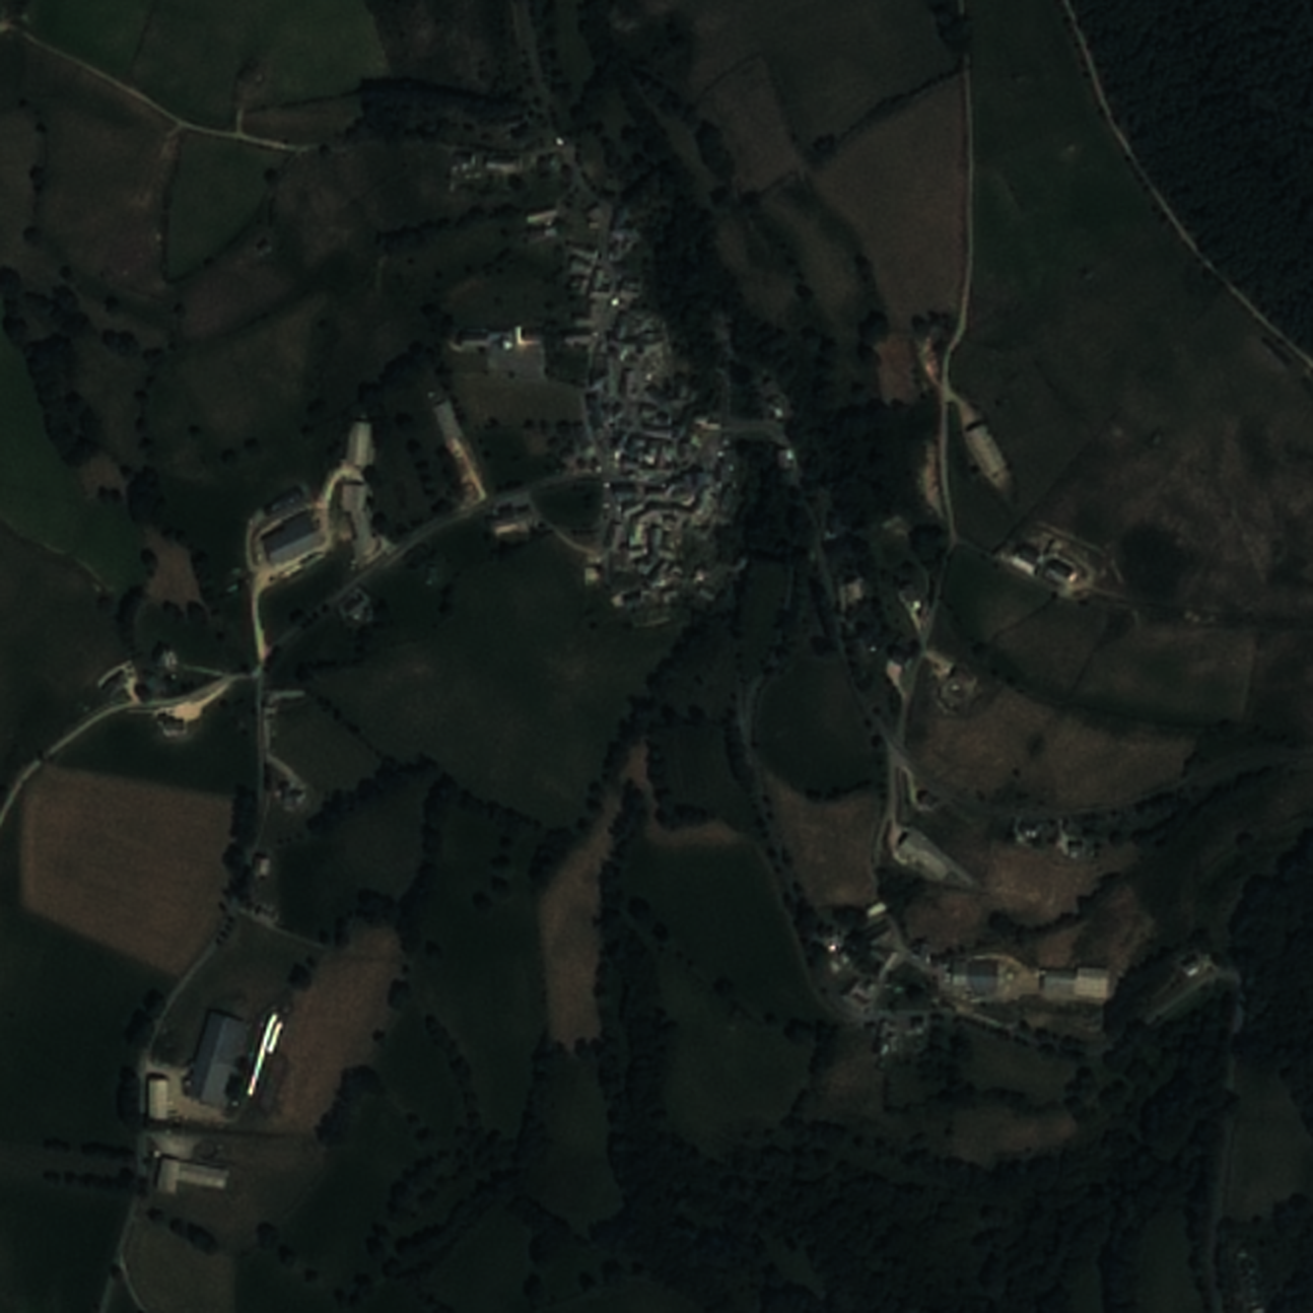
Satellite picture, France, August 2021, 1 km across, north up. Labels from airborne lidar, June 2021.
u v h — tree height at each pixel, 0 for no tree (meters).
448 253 0
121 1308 0
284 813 0
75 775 0
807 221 0
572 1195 0
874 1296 25
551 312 10
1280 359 0
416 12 0
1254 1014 9
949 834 0
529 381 0
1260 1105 0
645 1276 8
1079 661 0
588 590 0
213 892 0
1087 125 0
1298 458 0
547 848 7
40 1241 0
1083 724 0
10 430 0
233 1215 0
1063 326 0
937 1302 9
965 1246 0
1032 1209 8
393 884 0
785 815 0
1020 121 0
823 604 21
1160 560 0
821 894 0
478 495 0
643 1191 25
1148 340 0
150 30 0
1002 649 0
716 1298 12
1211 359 0
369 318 0
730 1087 0
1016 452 0
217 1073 0
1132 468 0
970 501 0
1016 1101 10
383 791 17
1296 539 0
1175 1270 0
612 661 0
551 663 0
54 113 0
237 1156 0
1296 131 19
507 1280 0
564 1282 0
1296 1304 16
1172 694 0
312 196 0
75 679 0
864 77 0
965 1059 18
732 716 10
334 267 0
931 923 0
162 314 0
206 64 0
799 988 0
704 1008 0
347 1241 0
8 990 0
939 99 0
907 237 0
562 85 10
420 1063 0
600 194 8
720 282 17
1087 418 0
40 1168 0
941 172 0
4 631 0
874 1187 18
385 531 11
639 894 0
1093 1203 25
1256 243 16
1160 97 17
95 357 0
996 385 0
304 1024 0
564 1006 0
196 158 0
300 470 0
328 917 0
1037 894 0
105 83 0
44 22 0
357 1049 0
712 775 0
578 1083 0
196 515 0
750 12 0
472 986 0
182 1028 0
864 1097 0
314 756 0
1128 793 0
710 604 9
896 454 0
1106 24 17
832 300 0
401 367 14
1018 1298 29
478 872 0
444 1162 8
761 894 0
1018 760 0
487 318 0
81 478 0
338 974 0
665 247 12
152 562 17
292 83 0
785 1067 0
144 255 0
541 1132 19
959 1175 20
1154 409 0
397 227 0
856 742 0
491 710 0
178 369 0
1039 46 0
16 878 0
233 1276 0
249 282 0
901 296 0
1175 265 0
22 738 0
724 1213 15
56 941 0
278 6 0
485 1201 13
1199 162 19
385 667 0
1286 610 0
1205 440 0
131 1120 18
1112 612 0
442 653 0
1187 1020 8
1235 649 0
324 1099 0
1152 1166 25
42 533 0
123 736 0
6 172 0
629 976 18
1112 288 0
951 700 0
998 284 0
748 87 0
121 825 0
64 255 0
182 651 0
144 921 0
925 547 14
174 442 0
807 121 0
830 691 0
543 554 0
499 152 7
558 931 0
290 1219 0
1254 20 17
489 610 0
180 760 0
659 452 0
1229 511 0
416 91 21
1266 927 24
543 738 0
